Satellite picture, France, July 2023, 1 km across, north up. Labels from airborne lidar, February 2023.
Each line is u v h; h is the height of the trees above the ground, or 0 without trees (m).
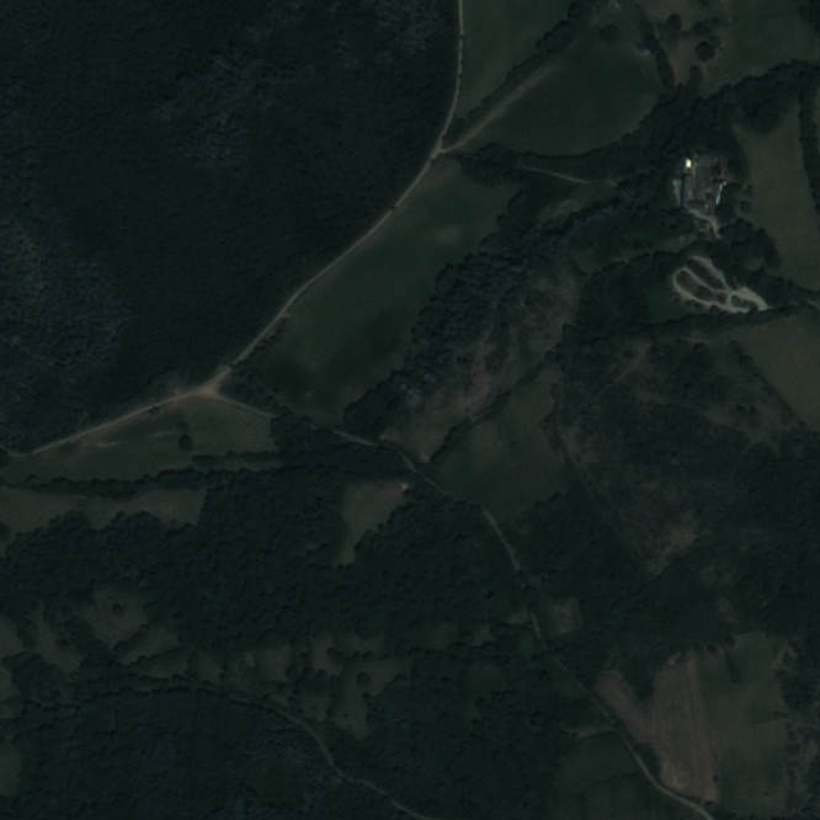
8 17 6
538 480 0
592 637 6
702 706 0
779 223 0
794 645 0
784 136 0
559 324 0
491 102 12
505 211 0
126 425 0
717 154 22
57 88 10
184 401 0
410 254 0
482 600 8
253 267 6
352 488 0
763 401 0
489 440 0
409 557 18
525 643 0
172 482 17
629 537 0
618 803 0
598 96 0
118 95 11
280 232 8
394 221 0
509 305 16
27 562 10
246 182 8
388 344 0
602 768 0
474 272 25
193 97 17
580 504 7
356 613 19
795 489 8
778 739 0
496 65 0
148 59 8
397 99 9
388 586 11
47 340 17
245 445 0
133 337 11
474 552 15
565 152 0
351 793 15
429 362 33
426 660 14
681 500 0
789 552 12
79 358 21
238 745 10
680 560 8
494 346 0
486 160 10
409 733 10
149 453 0
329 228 9
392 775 16
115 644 0
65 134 7
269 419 0
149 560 14
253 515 18
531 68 10
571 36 13
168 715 20
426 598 20
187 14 9
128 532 15
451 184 0
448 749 8
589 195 0
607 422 0
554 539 6
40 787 15
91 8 11
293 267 12
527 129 0
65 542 19
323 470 18
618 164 20
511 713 10
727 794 0
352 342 0
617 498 0
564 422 0
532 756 14
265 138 7
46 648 0
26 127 11
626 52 0
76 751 17
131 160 10
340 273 0
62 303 16
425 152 10
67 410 18
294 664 6
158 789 11
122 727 14
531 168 15
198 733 19
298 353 0
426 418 0
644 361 0
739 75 0
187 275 13
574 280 0
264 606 9
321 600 11
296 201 11
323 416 0
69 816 13
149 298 11
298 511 20
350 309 0
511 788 8
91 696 8
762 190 0
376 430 13
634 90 0
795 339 0
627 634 8
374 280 0
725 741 0
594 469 0
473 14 0
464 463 0
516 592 7
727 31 0
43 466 0
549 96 0
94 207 9
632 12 0
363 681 14
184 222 10
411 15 24
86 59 11
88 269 19
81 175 8
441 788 19
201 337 10
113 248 13
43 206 12
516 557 7
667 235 0
